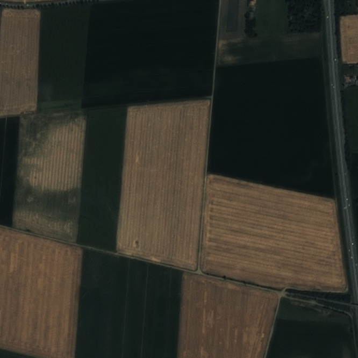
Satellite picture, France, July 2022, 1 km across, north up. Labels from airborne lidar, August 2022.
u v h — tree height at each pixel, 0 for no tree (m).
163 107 0
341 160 0
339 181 0
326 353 0
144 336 0
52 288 0
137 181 0
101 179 0
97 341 0
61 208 0
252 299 0
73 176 0
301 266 0
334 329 0
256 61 0
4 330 0
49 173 0
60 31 0
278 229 0
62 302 0
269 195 0
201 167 0
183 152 0
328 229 0
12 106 0
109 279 0
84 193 0
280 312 0
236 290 0
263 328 0
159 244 0
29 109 0
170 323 0
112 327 0
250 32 16
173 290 0
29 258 0
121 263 0
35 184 0
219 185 0
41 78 0
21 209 0
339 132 0
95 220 0
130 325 0
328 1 0
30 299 0
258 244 0
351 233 0
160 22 0
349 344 0
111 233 0
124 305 0
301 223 0
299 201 0
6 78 0
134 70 0
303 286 0
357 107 0
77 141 0
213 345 0
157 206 0
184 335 0
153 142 0
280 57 0
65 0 0
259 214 0
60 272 0
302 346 0
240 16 0
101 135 0
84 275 0
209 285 0
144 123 0
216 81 0
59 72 0
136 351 0
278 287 0
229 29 0
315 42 0
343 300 8
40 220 0
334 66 0
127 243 0
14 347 0
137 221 0
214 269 0
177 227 0
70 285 0
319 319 0
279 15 0
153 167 0
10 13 0
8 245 0
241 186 0
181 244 0
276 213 0
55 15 0
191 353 0
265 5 0
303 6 9
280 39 0
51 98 0
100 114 0
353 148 0
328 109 0
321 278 0
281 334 0
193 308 0
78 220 0
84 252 0
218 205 0
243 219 0
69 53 0
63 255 0
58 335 0
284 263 0
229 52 0
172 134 0
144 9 0
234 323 0
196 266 0
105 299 0
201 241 0
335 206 0
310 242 0
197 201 0
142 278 0
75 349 0
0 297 0
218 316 0
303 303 0
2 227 0
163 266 0
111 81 0
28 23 0
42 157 0
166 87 0
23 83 0
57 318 0
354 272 0
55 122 0
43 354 0
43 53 0
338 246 0
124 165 0
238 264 0
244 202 0
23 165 0
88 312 0
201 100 0
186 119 0
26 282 0
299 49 0
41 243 0
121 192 0
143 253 0
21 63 0
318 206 0
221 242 0
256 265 0
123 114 0
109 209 0
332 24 0
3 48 0
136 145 0
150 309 0
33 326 0
